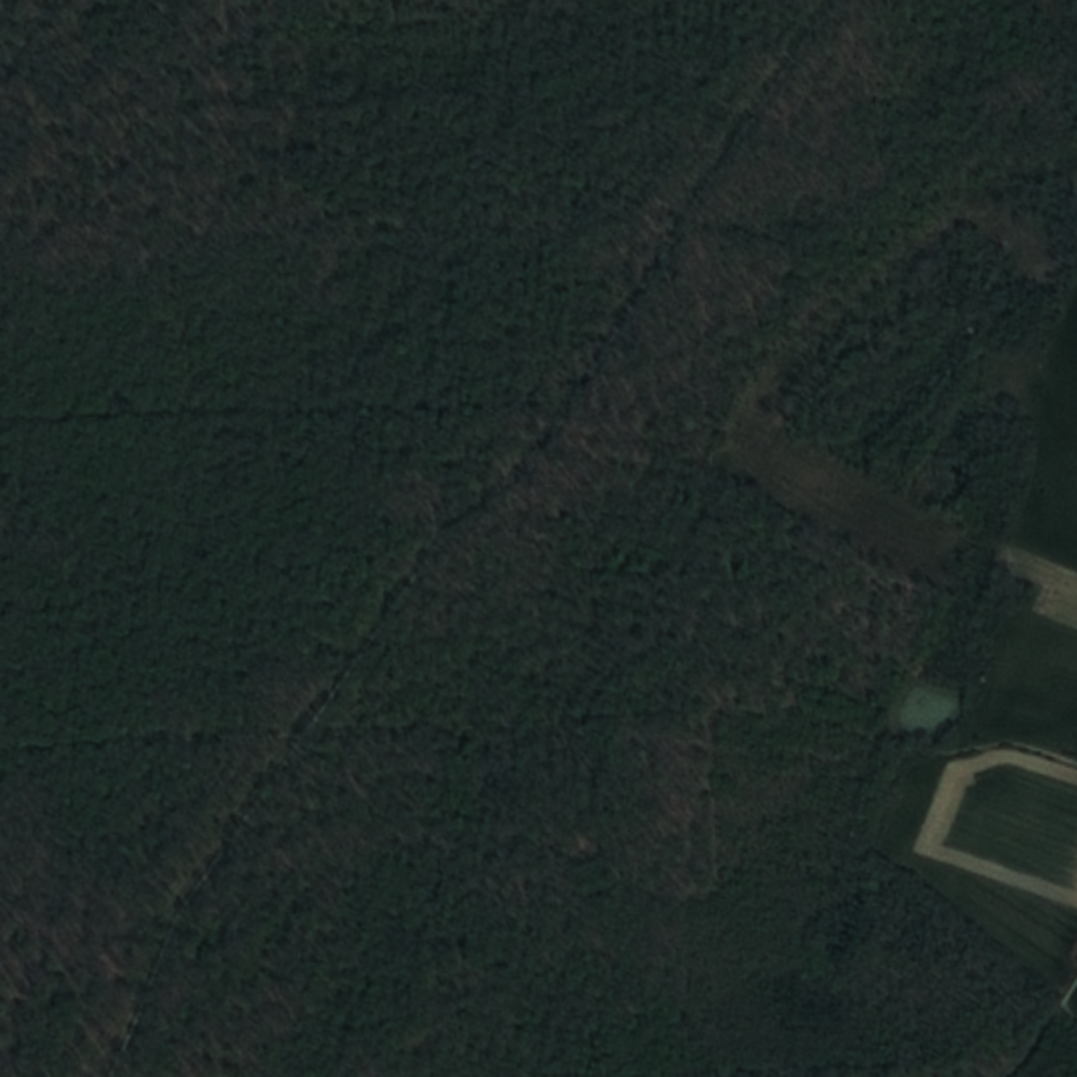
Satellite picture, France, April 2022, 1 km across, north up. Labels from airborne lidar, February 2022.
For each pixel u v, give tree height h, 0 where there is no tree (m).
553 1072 24
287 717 24
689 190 20
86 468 23
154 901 28
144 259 27
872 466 19
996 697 0
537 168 23
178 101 32
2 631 26
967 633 20
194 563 25
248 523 23
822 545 24
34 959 30
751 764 0
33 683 24
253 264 27
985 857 0
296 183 28
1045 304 21
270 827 28
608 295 22
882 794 16
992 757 0
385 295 29
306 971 24
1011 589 27
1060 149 27
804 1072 19
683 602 24
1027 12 23
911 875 14
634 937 25
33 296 29
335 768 25
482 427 24
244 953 30
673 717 21
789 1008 11
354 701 24
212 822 28
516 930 24
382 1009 21
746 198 27
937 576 0
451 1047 27
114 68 30
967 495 25
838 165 25
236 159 30
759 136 22
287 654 23
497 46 25
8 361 22
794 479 0
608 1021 24
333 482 24
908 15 27
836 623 23
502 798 25
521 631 26
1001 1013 21
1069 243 24
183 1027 26
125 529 25
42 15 29
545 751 24
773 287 25
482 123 24
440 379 21
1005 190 0
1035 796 0
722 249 26
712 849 25
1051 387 0
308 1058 24
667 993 24
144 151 29
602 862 22
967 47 23
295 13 26
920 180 22
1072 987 0
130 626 24
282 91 27
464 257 23
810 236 27
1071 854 0
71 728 26
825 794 0
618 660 26
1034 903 0
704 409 30
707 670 22
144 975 28
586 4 23
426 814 22
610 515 25
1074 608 0
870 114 26
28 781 28
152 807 24
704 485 30
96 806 24
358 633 26
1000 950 15
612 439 30
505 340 22
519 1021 22
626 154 21
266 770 25
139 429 22
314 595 25
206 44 30
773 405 0
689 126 22
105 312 26
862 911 21
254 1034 29
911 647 26
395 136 23
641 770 25
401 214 24
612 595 26
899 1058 13
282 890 25
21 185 33
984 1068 24
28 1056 25
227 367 19
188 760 23
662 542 26
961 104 25
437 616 26
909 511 0
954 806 0
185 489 27
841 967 20
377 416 19
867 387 25
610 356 26
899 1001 16
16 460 23
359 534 23
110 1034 23
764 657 24
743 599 26
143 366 25
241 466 25
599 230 22
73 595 23
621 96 23
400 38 25
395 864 23
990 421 19
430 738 23
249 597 22
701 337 28
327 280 22
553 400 18
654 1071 21
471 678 22
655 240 21
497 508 25
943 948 18
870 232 25
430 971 25
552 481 28
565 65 25
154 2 24
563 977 23
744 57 21
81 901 32
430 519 25
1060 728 0
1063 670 0
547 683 21
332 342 25
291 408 22
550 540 27
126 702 22
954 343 11
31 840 29
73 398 20
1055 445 0
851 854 19
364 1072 21
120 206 11
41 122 32
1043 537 0
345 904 27
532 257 24
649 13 23
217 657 23
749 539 25
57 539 26
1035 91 28
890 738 17
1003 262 12
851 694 24
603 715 23
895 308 30
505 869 27
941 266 21
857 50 25
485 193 26
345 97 28
